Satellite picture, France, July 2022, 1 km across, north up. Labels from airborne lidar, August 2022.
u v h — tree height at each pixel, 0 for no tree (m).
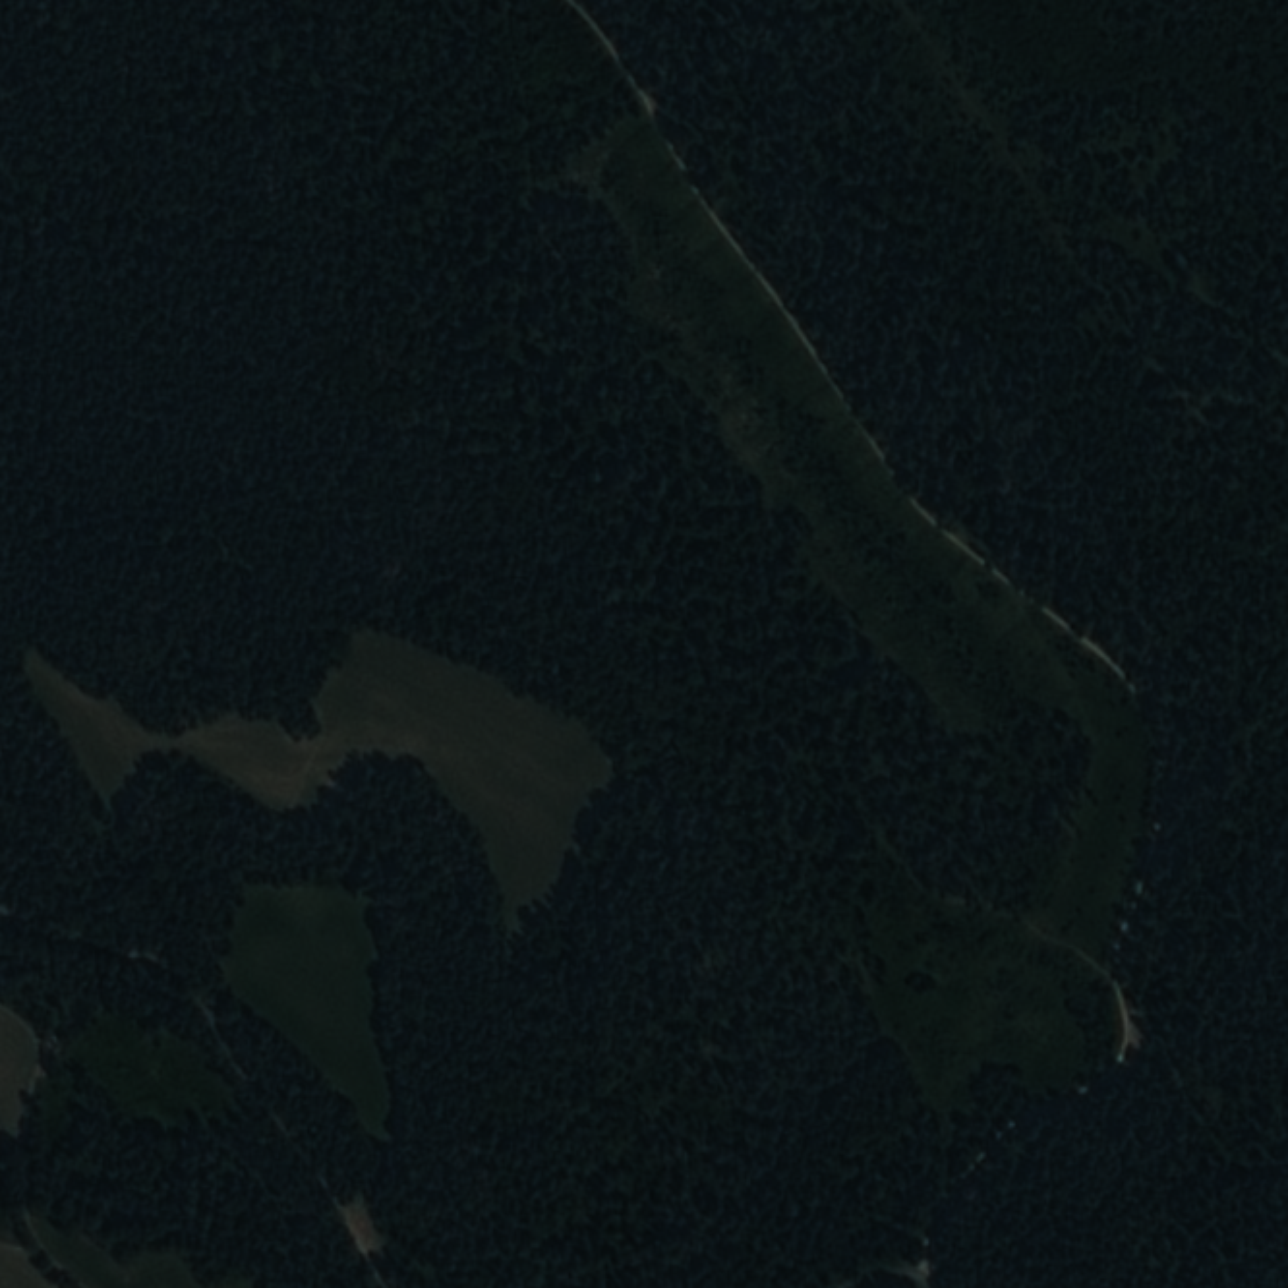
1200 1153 10
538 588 24
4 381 30
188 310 26
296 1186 22
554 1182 22
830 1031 30
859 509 8
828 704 9
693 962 13
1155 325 21
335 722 0
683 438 19
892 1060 24
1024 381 31
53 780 23
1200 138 14
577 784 0
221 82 30
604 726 18
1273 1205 26
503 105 10
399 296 25
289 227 28
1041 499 19
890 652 0
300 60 28
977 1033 0
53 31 28
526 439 30
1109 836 0
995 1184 22
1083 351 14
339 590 32
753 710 20
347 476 31
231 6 24
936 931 9
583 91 9
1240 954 9
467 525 25
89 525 27
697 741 26
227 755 0
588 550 25
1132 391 7
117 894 27
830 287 29
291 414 27
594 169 0
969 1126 18
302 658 24
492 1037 30
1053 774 8
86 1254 0
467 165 20
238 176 27
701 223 0
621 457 14
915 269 40
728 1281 24
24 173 29
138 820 21
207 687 6
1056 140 13
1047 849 6
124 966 28
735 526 13
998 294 14
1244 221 6
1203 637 11
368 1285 23
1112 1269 25
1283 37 6
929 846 21
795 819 7
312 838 28
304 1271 25
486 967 30
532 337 7
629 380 25
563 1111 8
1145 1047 8
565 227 31
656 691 26
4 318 30
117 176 33
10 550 32
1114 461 8
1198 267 19
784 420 12
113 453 29
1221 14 10
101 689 26
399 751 0
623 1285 37
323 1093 26
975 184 7
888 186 16
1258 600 18
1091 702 0
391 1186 26
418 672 0
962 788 17
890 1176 23
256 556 27
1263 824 14
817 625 9
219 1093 0
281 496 30
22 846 21
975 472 13
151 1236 19
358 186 23
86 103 31
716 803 23
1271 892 16
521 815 0
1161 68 11
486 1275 14
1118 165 10
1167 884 35
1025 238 10
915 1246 28
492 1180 19
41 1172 22
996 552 32
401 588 30
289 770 0
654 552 22
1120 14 14
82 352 30
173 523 30
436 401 24
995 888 19
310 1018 0
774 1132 26
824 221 28
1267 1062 13
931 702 18
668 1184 8
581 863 24
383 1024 20
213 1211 27
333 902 0
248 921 0
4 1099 0
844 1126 24
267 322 27
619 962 31
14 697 19
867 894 19
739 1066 9
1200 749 7
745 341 8
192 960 24
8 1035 0
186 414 30
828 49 33
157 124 30
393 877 29
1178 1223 8
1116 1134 32
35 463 32
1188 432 15
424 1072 28
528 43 11
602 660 22
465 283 22
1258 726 10
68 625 26
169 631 25
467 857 27
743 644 10
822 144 40
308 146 18
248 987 0
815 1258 25
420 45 15
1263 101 9
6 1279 0
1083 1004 7
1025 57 6
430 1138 27
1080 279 6
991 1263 22
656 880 31
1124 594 38
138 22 31
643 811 29
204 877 27
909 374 30
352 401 29
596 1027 24
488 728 0
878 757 8
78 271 27
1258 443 15
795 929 11
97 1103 23
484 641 21
